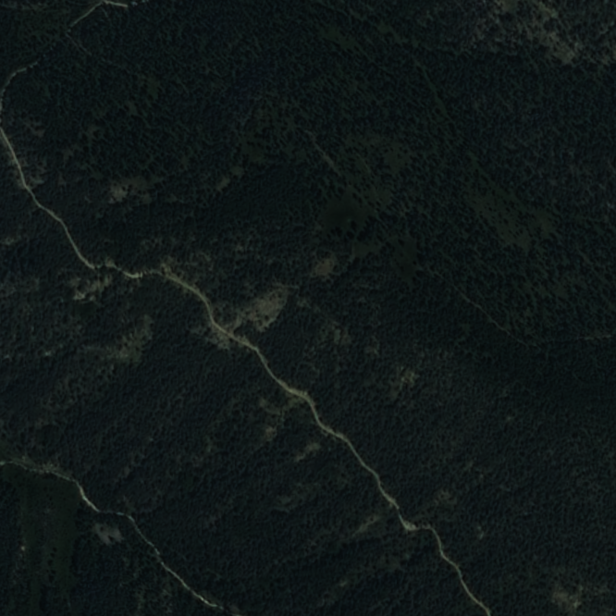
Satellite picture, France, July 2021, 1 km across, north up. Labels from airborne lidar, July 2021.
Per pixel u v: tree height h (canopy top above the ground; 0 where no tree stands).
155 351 12
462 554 7
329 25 27
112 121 23
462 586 7
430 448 9
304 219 7
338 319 8
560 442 8
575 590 8
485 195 8
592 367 11
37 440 9
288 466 6
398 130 21
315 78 24
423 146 18
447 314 13
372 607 11
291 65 18
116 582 12
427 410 9
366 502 13
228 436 19
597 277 21
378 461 8
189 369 11
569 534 10
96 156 12
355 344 10
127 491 17
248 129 10
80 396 10
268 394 8
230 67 18
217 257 7
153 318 14
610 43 8
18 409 15
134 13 21
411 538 9
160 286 8
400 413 10
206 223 13
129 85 19
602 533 8
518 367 16
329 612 20
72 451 18
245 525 16
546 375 12
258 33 25
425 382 7
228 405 8
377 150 7
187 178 11
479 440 11
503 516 13
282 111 9
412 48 23
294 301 7
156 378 12
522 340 11
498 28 23
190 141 8
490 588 6
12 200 14
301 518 9
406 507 8
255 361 12
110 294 10
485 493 12
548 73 25
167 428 11
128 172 16
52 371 13
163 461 13
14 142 8
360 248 0
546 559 8
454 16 17
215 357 11
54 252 15
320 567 18
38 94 11
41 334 9
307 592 16
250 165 13
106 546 7
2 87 10
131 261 14
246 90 13
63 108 10
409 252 0
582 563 8
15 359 9
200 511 12
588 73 20
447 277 15
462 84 17
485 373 12
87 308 15
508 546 11
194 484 17
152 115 23
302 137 16
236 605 17
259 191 14
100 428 13
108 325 15
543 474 12
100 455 14
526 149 22
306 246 5
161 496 6
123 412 14
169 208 12
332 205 0
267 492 11
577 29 13
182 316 7
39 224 16
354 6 17
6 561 13
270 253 15
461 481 8
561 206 17
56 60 16
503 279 25
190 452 14
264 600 17
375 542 13
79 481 12
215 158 8
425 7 17
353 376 11
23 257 11
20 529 18
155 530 16
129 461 19
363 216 0
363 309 12
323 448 7
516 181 28
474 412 7
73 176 13
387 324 6
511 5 0
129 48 18
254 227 6
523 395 16
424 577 10
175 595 9
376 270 9
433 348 11
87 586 7
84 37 19
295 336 12
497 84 22
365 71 11
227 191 20
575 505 7
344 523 11
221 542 14
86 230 12
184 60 14
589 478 6
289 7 24
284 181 11
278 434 6
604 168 12
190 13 23
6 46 10
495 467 9
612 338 7
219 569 15
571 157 15
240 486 12
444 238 21
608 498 9
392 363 6
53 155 16
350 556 15
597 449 7
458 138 23
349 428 9
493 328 17
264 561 16
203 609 18
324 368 8
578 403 11
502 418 7
